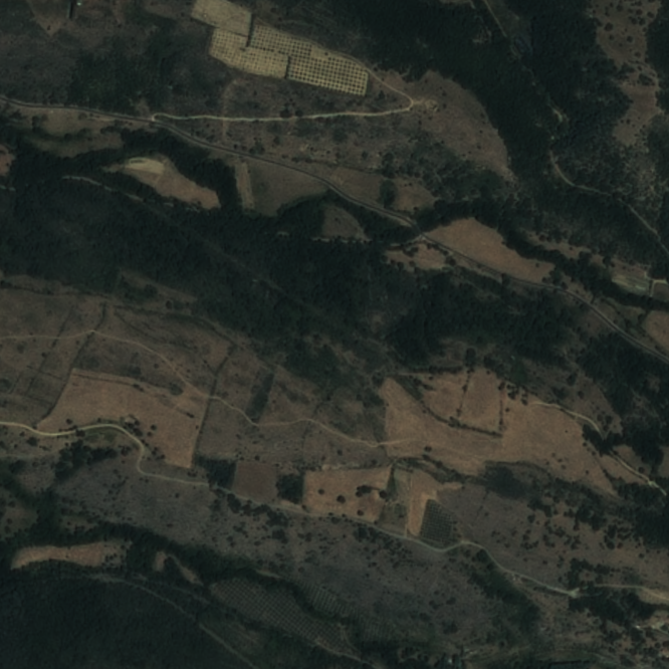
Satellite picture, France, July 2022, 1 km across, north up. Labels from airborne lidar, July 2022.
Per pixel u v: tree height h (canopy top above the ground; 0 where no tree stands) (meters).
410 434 0
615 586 0
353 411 0
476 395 0
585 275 12
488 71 9
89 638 7
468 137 0
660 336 0
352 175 0
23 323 0
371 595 0
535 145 14
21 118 6
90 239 7
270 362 0
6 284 10
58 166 21
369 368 0
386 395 0
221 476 13
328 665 7
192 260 10
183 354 0
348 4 7
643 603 7
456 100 0
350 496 0
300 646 6
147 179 0
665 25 12
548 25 9
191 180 6
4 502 9
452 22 17
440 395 0
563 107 14
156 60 11
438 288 16
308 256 7
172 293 0
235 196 6
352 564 0
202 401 0
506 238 7
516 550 0
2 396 0
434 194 8
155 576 7
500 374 6
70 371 0
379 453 0
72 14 12
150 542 15
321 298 9
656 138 8
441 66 7
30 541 7
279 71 0
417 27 15
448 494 0
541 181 10
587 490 7
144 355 0
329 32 7
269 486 0
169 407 0
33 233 7
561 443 0
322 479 0
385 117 0
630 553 0
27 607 7
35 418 0
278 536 6
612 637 9
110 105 6
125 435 0
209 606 6
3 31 0
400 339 11
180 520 0
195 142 0
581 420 0
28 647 5
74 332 0
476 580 6
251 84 0
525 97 8
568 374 0
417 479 0
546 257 14
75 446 12
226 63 0
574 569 8
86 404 0
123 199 12
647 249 6
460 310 7
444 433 0
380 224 6
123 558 8
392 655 20
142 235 8
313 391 0
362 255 10
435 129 0
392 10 14
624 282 0
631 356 12
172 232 9
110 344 0
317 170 0
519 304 6
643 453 13
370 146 0
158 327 0
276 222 12
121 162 11
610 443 11
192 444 0
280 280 9
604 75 9
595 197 9
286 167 0
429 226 13
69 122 0
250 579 11
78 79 7
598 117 8
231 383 0
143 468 0
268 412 0
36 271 8
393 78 0
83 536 11
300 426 0
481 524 0
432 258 0
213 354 0
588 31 8
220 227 8
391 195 7
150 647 7
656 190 7
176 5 0
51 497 10
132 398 0
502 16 0
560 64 15
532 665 8
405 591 0
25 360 0
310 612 9
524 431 0
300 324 8
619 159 6
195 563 13
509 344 7
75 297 0
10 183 9
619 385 7
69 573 6
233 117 0
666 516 12
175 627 7
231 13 0
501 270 0
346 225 0
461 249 0
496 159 0
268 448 0
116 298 0
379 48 7
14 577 7
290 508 0
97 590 9
